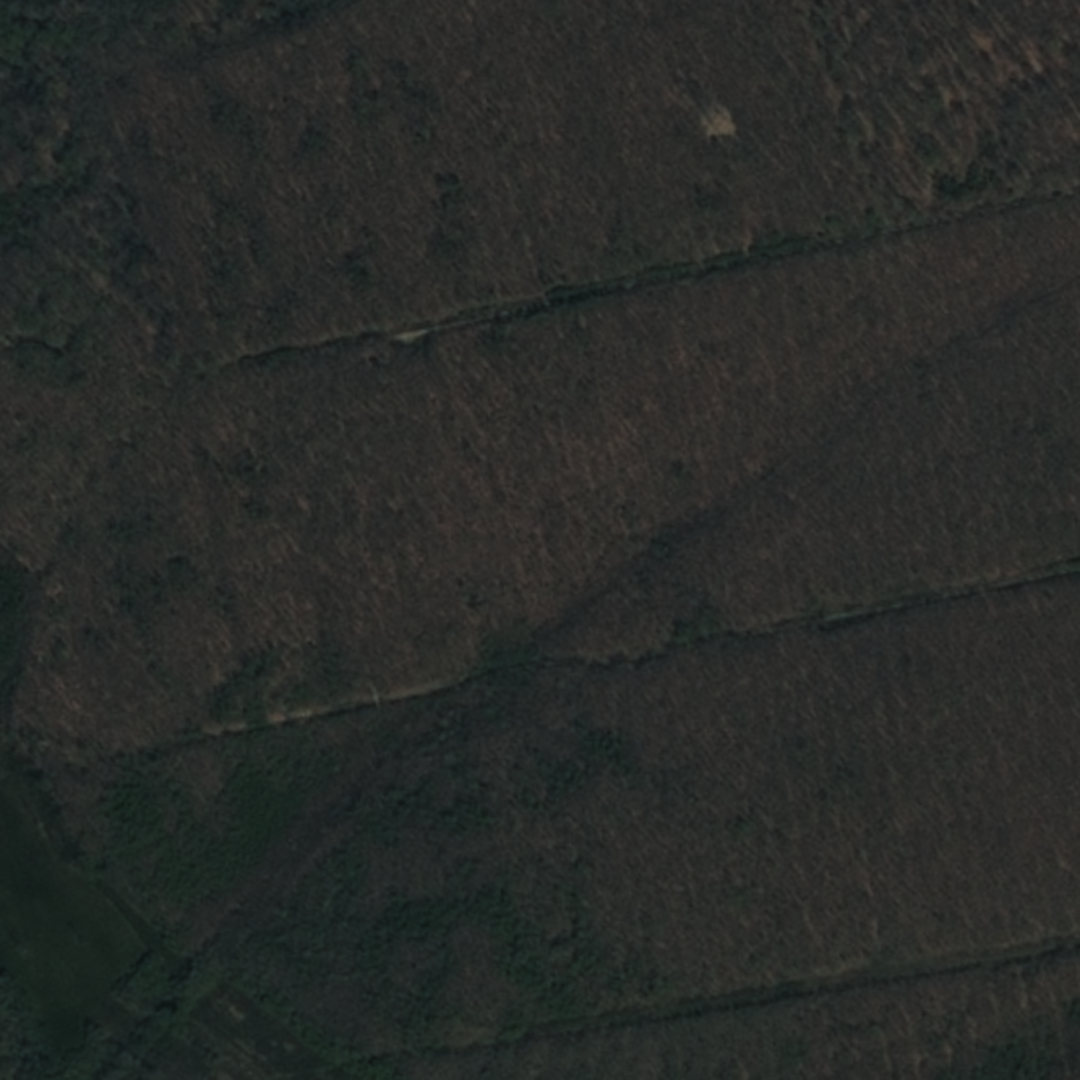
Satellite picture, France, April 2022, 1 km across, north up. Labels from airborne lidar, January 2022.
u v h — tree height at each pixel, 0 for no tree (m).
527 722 18
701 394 17
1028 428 17
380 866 17
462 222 14
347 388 19
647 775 18
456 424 19
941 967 0
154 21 30
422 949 17
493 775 17
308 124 19
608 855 19
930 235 19
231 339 19
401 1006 16
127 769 18
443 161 17
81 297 27
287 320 20
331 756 13
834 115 19
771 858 20
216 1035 0
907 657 18
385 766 20
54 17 25
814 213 17
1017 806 18
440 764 18
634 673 16
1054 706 20
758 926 18
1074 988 20
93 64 32
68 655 19
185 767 18
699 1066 17
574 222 17
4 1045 7
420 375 19
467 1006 17
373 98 17
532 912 15
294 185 17
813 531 17
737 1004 0
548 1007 14
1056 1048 14
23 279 25
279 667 15
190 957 19
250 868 14
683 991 16
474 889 15
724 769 20
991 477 19
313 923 14
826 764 17
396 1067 15
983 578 15
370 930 17
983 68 26
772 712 18
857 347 0
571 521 20
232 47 21
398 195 20
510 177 18
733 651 17
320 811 18
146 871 13
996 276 0
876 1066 18
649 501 15
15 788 0
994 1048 15
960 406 18
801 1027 17
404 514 11
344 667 16
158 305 25
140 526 17
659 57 20
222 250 18
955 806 18
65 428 18
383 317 19
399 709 13
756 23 18
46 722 18
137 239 24
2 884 0
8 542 14
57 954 0
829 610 0
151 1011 28
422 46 20
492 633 15
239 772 11
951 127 27
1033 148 28
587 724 16
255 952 15
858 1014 18
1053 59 26
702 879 19
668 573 21
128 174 30
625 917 17
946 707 22
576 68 20
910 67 28
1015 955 0
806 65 19
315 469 20
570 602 15
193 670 15
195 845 15
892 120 27
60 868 0
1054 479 19
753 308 15
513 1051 17
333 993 19
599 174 17
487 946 18
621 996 19
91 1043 15
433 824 16
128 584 18
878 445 18
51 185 26
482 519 0
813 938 19
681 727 16
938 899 19
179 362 21
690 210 18
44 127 25
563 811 16
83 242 29
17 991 12
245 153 17
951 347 17
